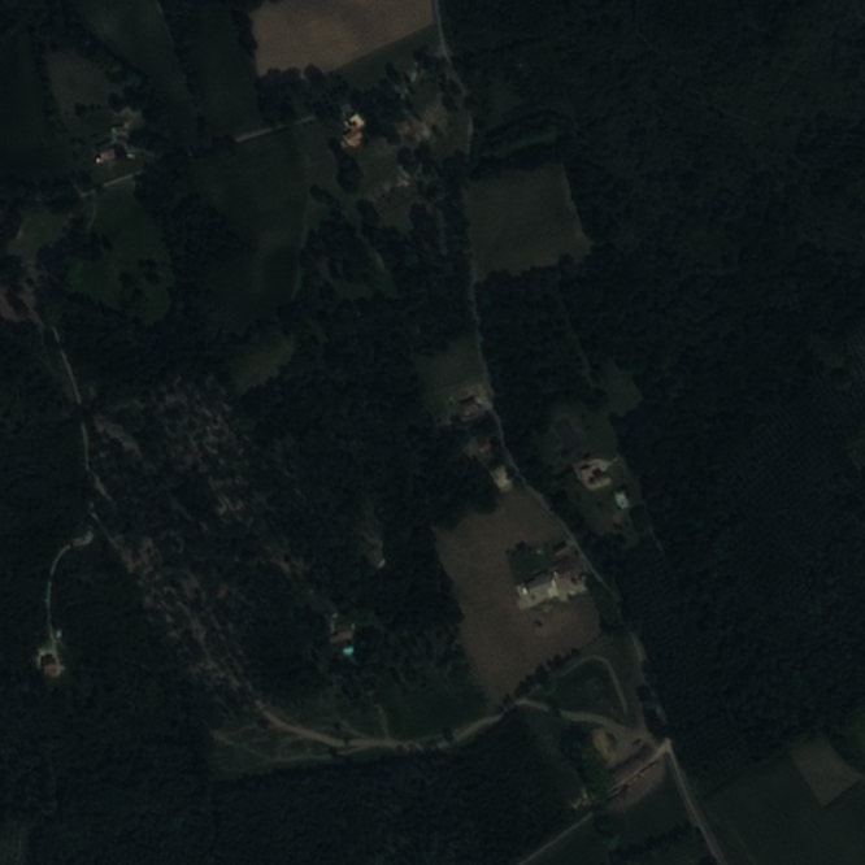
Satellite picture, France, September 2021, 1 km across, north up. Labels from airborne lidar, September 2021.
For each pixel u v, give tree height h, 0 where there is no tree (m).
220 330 13
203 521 26
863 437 22
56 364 0
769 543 28
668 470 29
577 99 7
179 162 16
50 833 22
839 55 12
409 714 0
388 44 0
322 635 19
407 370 27
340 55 0
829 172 15
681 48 12
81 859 24
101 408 15
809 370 10
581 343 14
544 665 0
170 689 12
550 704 0
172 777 21
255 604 21
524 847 7
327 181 0
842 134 16
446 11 11
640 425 21
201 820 23
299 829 17
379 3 0
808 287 21
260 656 22
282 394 20
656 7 15
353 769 17
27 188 15
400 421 27
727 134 16
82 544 0
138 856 25
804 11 14
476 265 0
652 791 0
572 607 0
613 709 0
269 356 0
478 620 0
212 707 20
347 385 21
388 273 15
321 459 26
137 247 0
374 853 22
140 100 17
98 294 0
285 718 0
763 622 25
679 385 19
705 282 17
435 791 20
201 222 20
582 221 16
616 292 21
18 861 0
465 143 0
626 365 20
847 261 16
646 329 23
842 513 24
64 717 8
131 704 10
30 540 9
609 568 20
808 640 24
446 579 22
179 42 13
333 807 20
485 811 9
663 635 33
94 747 12
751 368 24
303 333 8
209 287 10
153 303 0
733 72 8
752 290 7
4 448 6
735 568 30
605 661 0
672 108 14
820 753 0
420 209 0
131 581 20
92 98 0
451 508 23
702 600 17
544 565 0
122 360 17
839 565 28
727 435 25
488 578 0
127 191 0
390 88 13
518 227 0
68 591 10
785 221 15
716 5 15
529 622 0
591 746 0
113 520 23
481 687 0
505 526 0
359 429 29
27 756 21
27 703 31
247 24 16
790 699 28
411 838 18
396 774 24
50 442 9
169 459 20
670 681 31
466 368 0
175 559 23
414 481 13
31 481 18
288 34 0
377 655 20
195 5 19
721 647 31
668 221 15
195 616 21
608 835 23
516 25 15
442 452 22
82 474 9
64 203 18
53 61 0
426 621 23
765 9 20
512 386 25
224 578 23
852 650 28
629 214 19
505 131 12
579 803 0
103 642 10
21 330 8
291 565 18
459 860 18
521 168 16
